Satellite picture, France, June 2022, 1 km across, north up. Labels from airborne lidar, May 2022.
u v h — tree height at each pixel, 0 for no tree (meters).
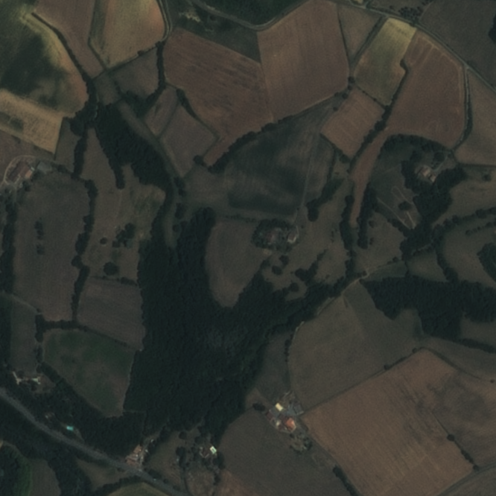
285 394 0
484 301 9
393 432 0
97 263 0
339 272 0
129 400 14
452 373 0
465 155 0
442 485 0
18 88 0
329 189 6
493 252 7
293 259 0
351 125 0
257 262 0
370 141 16
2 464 21
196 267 21
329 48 0
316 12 0
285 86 0
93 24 0
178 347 24
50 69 0
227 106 0
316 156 0
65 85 0
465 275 0
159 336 12
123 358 0
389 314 18
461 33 0
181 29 0
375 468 0
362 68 0
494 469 0
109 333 0
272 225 14
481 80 0
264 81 0
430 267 0
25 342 0
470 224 0
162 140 0
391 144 18
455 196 0
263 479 0
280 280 0
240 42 0
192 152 0
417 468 0
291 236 0
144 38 0
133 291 0
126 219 0
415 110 0
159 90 12
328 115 0
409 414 0
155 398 10
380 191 0
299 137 0
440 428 0
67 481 21
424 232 7
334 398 0
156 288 13
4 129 0
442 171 6
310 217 15
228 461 0
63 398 15
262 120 0
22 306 0
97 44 0
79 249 16
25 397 15
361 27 0
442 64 0
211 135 0
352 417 0
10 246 12
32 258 0
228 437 0
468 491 0
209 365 6
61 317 0
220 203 0
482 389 0
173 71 0
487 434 0
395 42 0
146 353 11
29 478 30
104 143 15
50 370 10
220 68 0
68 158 0
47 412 17
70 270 0
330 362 0
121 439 10
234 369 26
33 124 0
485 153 0
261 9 7
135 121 0
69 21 0
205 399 23
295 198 0
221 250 0
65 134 0
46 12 0
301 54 0
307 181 0
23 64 0
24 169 0
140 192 0
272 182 0
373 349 0
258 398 0
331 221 0
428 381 0
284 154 0
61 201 0
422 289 24
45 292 0
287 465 0
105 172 0
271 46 0
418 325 0
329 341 0
